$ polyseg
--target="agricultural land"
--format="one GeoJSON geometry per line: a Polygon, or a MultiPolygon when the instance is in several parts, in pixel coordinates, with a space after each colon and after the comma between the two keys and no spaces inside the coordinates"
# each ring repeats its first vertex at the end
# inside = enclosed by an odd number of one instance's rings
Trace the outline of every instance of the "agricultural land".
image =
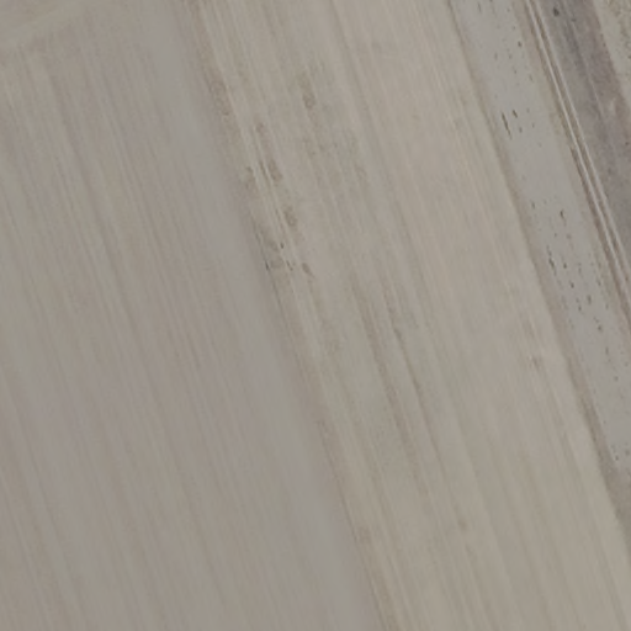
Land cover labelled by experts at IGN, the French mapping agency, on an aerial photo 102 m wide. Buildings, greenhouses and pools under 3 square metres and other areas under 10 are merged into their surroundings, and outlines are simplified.
{"type": "Polygon", "coordinates": [[[0,0],[0,631],[631,631],[631,0],[0,0]]]}

